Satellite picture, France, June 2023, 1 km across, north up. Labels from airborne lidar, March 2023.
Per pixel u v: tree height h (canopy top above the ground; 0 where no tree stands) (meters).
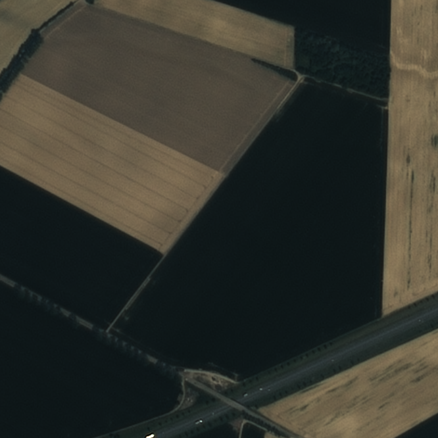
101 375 0
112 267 0
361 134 0
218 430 0
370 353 0
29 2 0
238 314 0
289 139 0
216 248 0
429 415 0
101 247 0
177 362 0
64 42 0
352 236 0
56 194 0
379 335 0
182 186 0
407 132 0
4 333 0
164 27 0
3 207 0
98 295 0
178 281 0
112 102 0
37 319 0
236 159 0
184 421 0
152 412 0
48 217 0
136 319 0
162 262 0
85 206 0
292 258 0
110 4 0
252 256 0
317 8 0
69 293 0
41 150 0
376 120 0
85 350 0
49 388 0
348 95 0
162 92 0
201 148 0
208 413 0
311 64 7
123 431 0
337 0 0
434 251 0
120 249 0
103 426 0
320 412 0
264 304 0
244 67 0
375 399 0
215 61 0
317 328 0
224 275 0
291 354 0
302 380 0
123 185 0
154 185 0
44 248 0
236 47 0
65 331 0
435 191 0
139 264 0
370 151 0
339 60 12
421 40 0
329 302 0
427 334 0
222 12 0
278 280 0
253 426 0
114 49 0
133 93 0
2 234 0
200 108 0
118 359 0
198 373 0
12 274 0
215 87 0
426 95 0
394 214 0
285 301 0
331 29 0
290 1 0
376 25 0
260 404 0
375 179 0
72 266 0
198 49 0
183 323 0
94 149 0
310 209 0
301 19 0
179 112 0
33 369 0
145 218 0
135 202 0
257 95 0
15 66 24
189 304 0
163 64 0
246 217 0
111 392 0
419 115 0
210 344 0
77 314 0
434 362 0
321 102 0
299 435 0
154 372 0
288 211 0
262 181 0
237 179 0
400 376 0
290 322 0
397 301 0
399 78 0
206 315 0
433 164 0
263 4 0
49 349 0
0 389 0
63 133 0
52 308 23
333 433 0
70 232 0
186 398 0
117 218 0
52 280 0
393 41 0
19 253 0
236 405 0
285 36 0
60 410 0
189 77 0
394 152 0
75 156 0
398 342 0
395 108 0
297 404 0
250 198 0
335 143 0
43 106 0
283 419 0
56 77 0
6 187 0
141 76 0
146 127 0
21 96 0
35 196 0
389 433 0
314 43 12
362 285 0
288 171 0
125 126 0
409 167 0
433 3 0
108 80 0
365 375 0
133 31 0
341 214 0
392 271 0
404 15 0
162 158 0
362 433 0
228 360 0
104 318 0
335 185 0
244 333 0
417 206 0
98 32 0
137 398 0
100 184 0
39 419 0
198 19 0
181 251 0
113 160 0
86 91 0
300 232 0
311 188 0
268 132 0
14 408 0
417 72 0
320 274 0
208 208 0
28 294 21
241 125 0
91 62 0
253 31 0
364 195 0
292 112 0
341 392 0
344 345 0
